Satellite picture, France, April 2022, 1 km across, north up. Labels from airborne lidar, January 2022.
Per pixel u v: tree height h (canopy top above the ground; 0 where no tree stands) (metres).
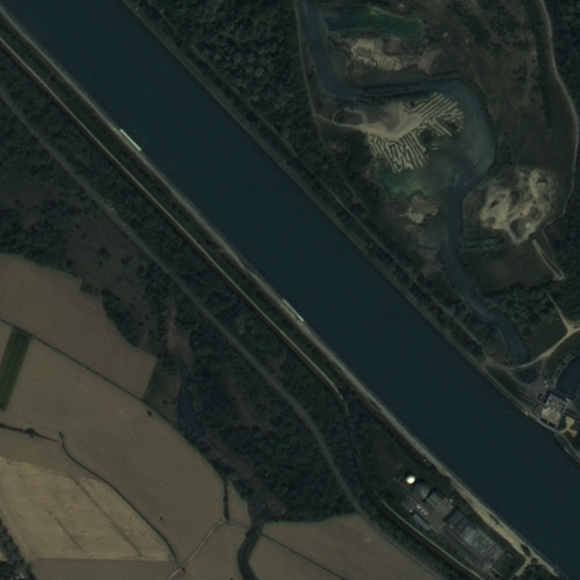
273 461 21
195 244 0
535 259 0
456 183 0
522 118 0
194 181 0
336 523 0
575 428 0
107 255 18
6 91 0
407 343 0
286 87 20
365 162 0
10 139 17
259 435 16
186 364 0
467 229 0
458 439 0
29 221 0
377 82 0
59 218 17
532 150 0
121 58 0
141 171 11
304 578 0
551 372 0
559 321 0
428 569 0
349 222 19
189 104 0
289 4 17
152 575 0
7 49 0
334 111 0
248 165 0
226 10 27
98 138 0
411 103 0
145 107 0
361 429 20
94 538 0
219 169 0
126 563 0
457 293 0
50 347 0
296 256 0
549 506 0
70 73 0
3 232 19
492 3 0
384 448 0
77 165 13
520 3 0
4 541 15
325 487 16
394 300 0
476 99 0
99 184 16
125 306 0
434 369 0
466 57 0
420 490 0
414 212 0
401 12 0
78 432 0
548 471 0
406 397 0
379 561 0
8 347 0
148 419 0
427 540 0
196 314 14
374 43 0
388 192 0
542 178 0
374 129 0
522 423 0
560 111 0
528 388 0
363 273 0
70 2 5
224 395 13
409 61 0
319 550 0
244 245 0
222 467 10
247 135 0
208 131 0
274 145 13
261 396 0
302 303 0
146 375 0
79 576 0
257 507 20
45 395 0
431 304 21
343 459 16
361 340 0
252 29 28
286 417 14
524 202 0
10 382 0
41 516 0
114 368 0
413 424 0
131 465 0
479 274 0
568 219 13
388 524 12
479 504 0
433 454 0
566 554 0
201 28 17
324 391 12
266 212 0
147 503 0
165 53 0
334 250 0
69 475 0
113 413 0
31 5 0
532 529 0
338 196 13
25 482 0
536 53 0
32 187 0
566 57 23
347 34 0
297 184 0
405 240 0
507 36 0
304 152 24
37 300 0
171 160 0
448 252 0
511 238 0
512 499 0
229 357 19
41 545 0
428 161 0
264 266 0
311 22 0
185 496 0
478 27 0
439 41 0
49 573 0
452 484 17
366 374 0
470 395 0
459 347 0
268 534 0
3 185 0
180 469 0
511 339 0
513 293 12
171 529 0
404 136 0
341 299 0
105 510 0
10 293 0
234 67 13
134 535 0
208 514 0
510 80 0
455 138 0
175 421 0
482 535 0
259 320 22
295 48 22
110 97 0
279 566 0
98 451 0
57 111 16
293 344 0
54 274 0
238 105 16
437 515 0
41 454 0
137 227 20
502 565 0
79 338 0
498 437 0
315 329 0
